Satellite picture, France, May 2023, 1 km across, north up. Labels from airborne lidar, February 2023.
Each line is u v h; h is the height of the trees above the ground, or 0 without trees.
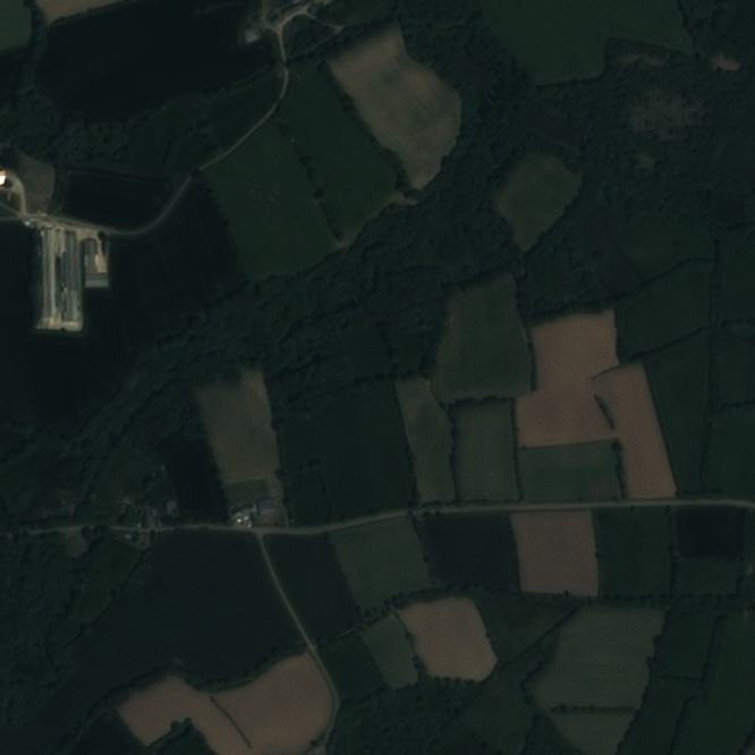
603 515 0
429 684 15
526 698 10
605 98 17
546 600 6
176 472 0
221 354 11
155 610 0
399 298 23
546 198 0
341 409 0
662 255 0
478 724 0
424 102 0
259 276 0
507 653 0
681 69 7
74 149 5
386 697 19
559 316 13
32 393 0
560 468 0
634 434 0
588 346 0
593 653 0
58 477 0
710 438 11
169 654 0
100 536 15
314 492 0
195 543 0
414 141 0
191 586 0
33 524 9
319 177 12
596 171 14
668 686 8
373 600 0
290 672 0
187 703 0
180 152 0
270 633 0
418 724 13
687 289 0
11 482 0
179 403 6
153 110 9
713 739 0
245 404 0
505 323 0
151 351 8
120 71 0
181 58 0
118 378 0
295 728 0
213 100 13
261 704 0
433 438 0
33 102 10
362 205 0
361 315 19
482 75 0
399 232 15
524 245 0
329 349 17
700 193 11
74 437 7
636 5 0
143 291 0
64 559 6
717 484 0
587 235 0
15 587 8
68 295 0
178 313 0
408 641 10
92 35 0
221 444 0
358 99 0
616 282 0
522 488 8
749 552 0
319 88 0
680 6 13
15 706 12
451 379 0
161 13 0
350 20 0
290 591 0
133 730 0
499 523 0
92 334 0
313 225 0
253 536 0
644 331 0
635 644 0
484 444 0
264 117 0
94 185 0
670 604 12
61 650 6
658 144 11
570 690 0
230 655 0
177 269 0
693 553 0
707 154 16
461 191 11
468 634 0
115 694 17
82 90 0
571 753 10
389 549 0
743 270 0
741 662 0
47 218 0
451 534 0
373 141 7
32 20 8
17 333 0
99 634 0
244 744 0
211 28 0
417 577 0
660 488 0
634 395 0
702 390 0
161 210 0
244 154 0
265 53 0
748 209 11
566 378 0
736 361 0
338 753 9
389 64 0
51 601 8
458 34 13
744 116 0
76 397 0
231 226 8
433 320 19
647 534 0
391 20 14
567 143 0
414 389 0
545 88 7
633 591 0
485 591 8
